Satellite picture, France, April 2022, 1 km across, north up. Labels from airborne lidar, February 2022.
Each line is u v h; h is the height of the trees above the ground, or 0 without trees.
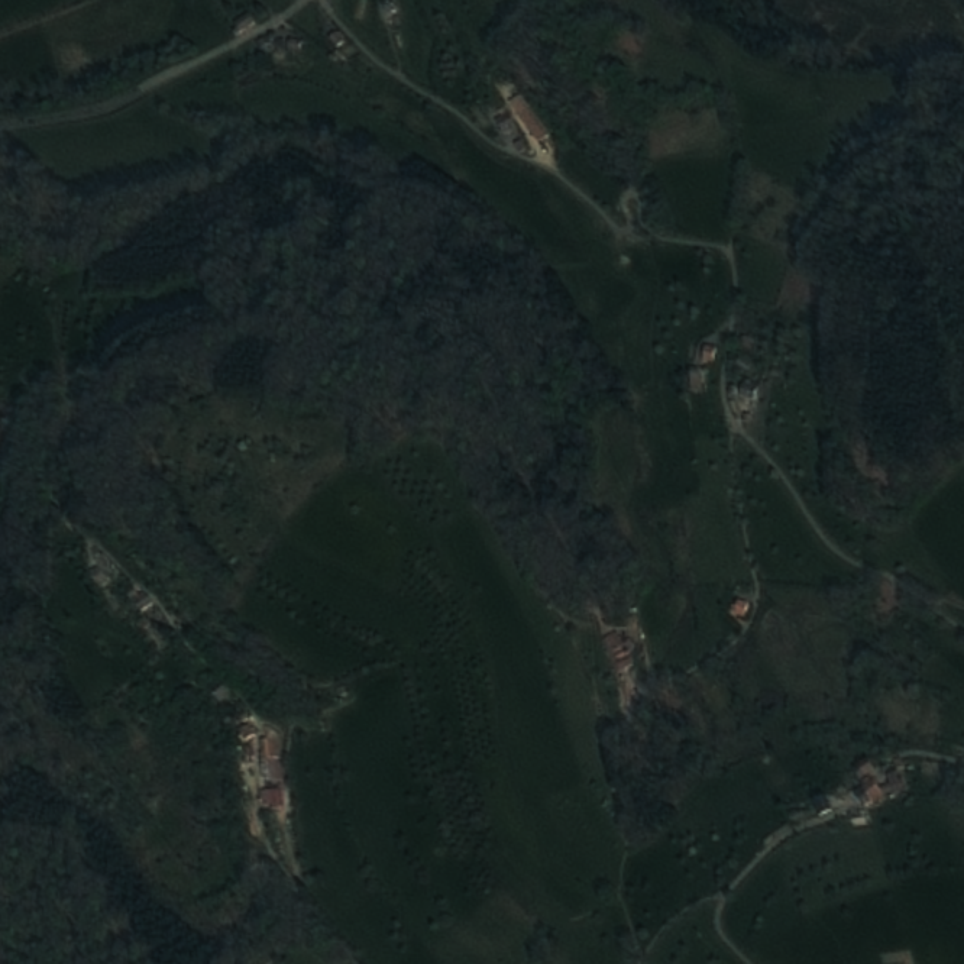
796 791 0
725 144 0
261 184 20
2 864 30
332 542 0
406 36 0
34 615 23
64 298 0
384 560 0
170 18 0
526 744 0
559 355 29
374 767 0
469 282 33
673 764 14
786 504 0
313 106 0
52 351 0
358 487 0
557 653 0
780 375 0
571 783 0
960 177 36
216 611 8
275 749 0
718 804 0
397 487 9
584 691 0
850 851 0
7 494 16
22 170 31
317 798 0
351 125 0
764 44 29
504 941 0
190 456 0
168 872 0
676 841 9
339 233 25
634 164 26
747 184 21
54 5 0
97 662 0
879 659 22
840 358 19
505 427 36
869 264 15
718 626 0
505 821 0
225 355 30
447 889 0
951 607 0
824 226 27
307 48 0
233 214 24
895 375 19
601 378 29
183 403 17
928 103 30
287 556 0
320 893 0
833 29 0
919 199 32
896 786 0
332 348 36
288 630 0
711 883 0
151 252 18
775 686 0
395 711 0
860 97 0
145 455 35
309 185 33
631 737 27
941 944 0
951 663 0
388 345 31
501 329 36
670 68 0
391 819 0
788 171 0
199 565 32
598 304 0
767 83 0
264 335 27
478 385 33
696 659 0
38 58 0
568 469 32
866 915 0
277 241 30
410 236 34
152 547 28
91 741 27
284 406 28
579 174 0
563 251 0
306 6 0
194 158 0
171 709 8
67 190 29
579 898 0
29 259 15
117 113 0
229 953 28
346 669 0
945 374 18
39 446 32
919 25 0
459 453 24
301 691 30
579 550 34
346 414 29
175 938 30
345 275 27
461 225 33
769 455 0
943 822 0
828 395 18
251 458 0
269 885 29
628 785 16
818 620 0
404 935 12
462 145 0
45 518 27
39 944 21
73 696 22
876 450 15
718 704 0
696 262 0
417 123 0
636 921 0
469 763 8
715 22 29
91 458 34
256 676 30
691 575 0
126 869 27
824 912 0
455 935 0
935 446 23
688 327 0
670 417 0
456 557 0
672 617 0
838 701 0
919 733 0
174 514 30
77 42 0
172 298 0
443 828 9
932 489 16
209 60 0
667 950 0
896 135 32
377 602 0
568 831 0
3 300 0
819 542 0
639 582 31
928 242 10
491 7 0
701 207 0
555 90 25
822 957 0
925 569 0
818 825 0
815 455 0
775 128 0
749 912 0
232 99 0
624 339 0
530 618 0
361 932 0
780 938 0
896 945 0
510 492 28
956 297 16
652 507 0
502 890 0
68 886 29
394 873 0
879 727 7
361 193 22
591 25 22
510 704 0
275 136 25
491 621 0
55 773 27
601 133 28
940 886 0
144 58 17
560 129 23
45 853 33
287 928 33
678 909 0
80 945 30
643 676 0
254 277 11
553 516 39
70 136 0
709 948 0
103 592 6
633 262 0
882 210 30
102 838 32
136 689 9
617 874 0
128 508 33
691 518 0
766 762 0
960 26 0
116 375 28
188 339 34
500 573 0
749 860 0
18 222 27
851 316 18
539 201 0
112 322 0
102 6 0
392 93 0
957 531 0
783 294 0
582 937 0
